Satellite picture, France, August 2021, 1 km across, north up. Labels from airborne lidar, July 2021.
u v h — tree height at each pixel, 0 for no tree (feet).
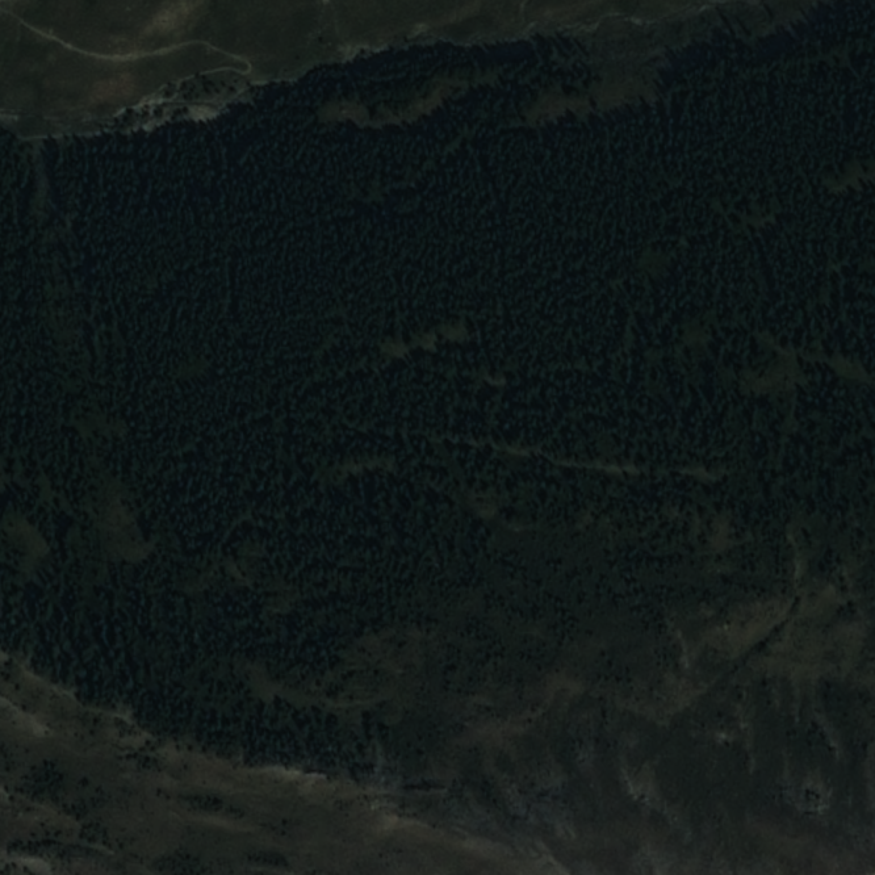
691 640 0
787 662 0
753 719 0
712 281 62
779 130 54
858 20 59
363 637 28
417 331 55
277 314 50
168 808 0
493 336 47
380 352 41
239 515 68
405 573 32
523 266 36
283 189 60
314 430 43
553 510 25
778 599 0
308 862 0
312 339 44
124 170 75
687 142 51
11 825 0
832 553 22
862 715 0
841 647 0
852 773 0
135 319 55
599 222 41
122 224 60
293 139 64
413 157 71
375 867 0
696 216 50
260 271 64
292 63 0
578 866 0
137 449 22
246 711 24
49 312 47
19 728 0
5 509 71
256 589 26
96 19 0
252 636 22
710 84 60
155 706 22
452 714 0
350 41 0
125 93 0
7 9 0
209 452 63
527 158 66
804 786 0
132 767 0
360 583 29
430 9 0
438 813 0
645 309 69
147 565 21
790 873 0
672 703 0
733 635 0
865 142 62
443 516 22
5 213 70
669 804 0
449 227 59
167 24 0
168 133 38
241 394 70
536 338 50
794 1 0
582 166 58
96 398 29
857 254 57
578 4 0
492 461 39
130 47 0
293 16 0
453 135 51
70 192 34
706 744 0
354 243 58
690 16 0
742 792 0
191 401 58
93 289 62
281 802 0
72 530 73
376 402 76
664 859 0
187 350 56
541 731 0
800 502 42
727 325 51
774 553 20
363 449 60
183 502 73
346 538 37
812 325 60
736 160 51
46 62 0
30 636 57
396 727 0
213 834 0
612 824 0
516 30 0
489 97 65
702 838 0
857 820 0
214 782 0
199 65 0
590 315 55
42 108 0
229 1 0
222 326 57
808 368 39
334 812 0
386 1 0
